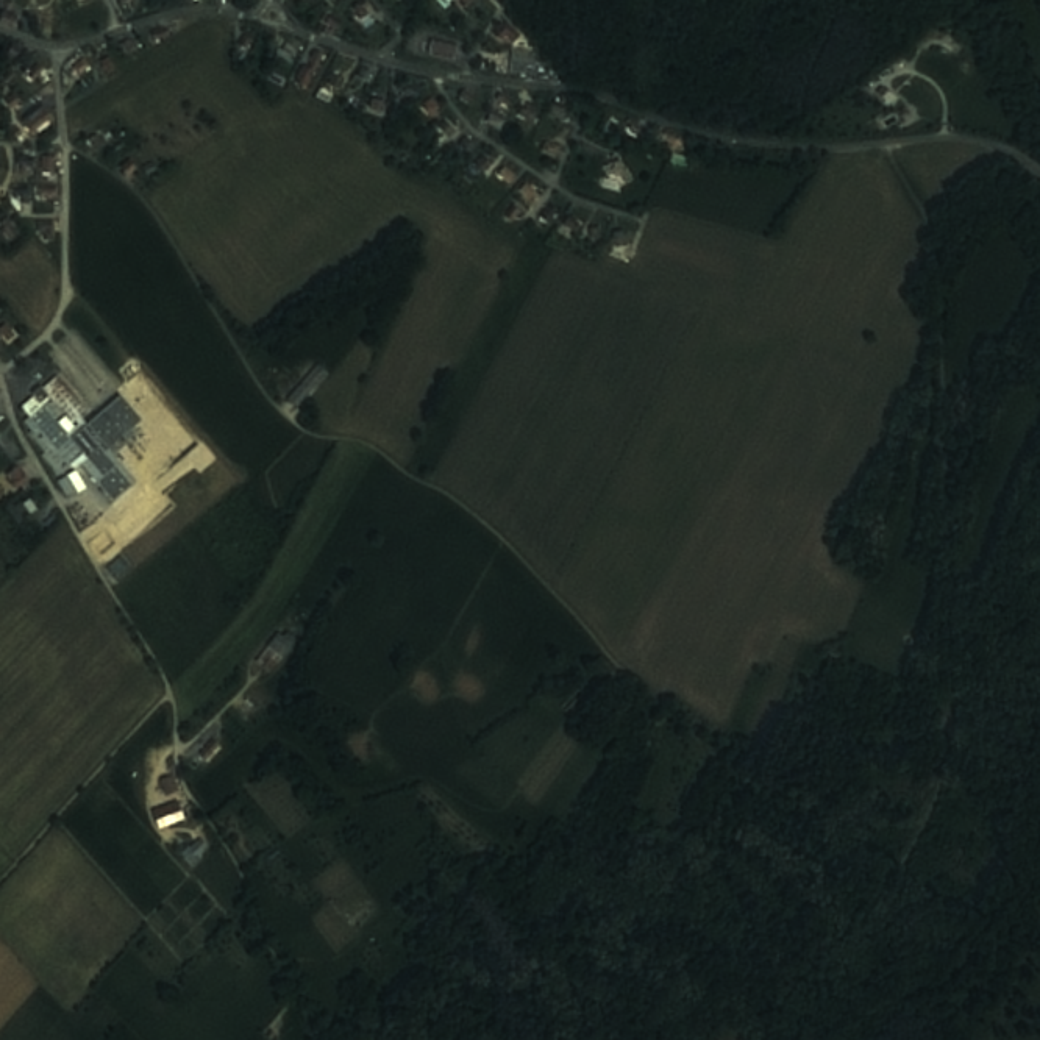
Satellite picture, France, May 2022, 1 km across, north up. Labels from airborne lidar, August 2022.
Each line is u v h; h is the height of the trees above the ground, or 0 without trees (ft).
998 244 0
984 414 54
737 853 73
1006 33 76
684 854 71
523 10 50
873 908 86
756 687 0
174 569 0
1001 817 75
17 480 0
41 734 0
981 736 61
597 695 63
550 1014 65
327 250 0
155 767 0
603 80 54
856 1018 80
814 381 0
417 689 0
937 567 58
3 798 0
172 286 0
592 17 45
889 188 0
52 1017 0
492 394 0
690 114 70
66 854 0
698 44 54
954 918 84
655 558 0
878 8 33
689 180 0
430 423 39
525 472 0
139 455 0
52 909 0
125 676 0
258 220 0
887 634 0
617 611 0
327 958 0
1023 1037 60
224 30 0
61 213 0
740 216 0
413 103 52
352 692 0
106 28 0
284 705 37
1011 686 84
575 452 0
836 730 83
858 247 0
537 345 0
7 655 0
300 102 0
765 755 97
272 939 49
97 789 0
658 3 62
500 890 21
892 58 28
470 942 46
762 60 32
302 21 23
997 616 82
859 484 54
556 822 30
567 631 0
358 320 0
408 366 0
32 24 47
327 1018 54
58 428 0
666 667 0
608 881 56
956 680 86
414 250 45
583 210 0
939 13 71
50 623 0
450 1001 68
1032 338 56
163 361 0
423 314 0
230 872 0
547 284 0
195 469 0
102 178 0
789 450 0
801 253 0
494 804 0
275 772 32
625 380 0
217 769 0
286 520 30
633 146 52
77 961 0
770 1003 42
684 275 0
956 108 0
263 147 0
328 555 0
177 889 0
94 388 0
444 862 18
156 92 0
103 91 0
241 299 0
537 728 0
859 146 0
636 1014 82
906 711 49
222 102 0
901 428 52
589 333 0
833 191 0
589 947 93
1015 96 76
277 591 0
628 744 39
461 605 0
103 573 0
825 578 0
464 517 0
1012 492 64
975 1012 94
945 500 50
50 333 0
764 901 53
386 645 0
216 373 0
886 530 39
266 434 0
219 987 0
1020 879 77
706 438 0
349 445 0
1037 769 62
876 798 71
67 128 0
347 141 0
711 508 0
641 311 0
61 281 0
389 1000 59
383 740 0
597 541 0
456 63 0
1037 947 82
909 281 44
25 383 0
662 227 0
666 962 94
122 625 25
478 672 0
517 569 0
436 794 0
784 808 32
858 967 62
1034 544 74
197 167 0
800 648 0
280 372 0
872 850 115
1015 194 64
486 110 19
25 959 0
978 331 0
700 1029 62
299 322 29
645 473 0
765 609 0
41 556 0
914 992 82
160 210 0
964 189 63
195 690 0
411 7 28
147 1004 0
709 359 0
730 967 92
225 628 0
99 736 0
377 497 0
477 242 0
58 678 0
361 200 0
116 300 0
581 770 0
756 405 0
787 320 0
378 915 0
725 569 0
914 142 0
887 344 0
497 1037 71
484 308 0
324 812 37
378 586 0
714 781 47
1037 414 0
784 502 0
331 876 0
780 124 25
